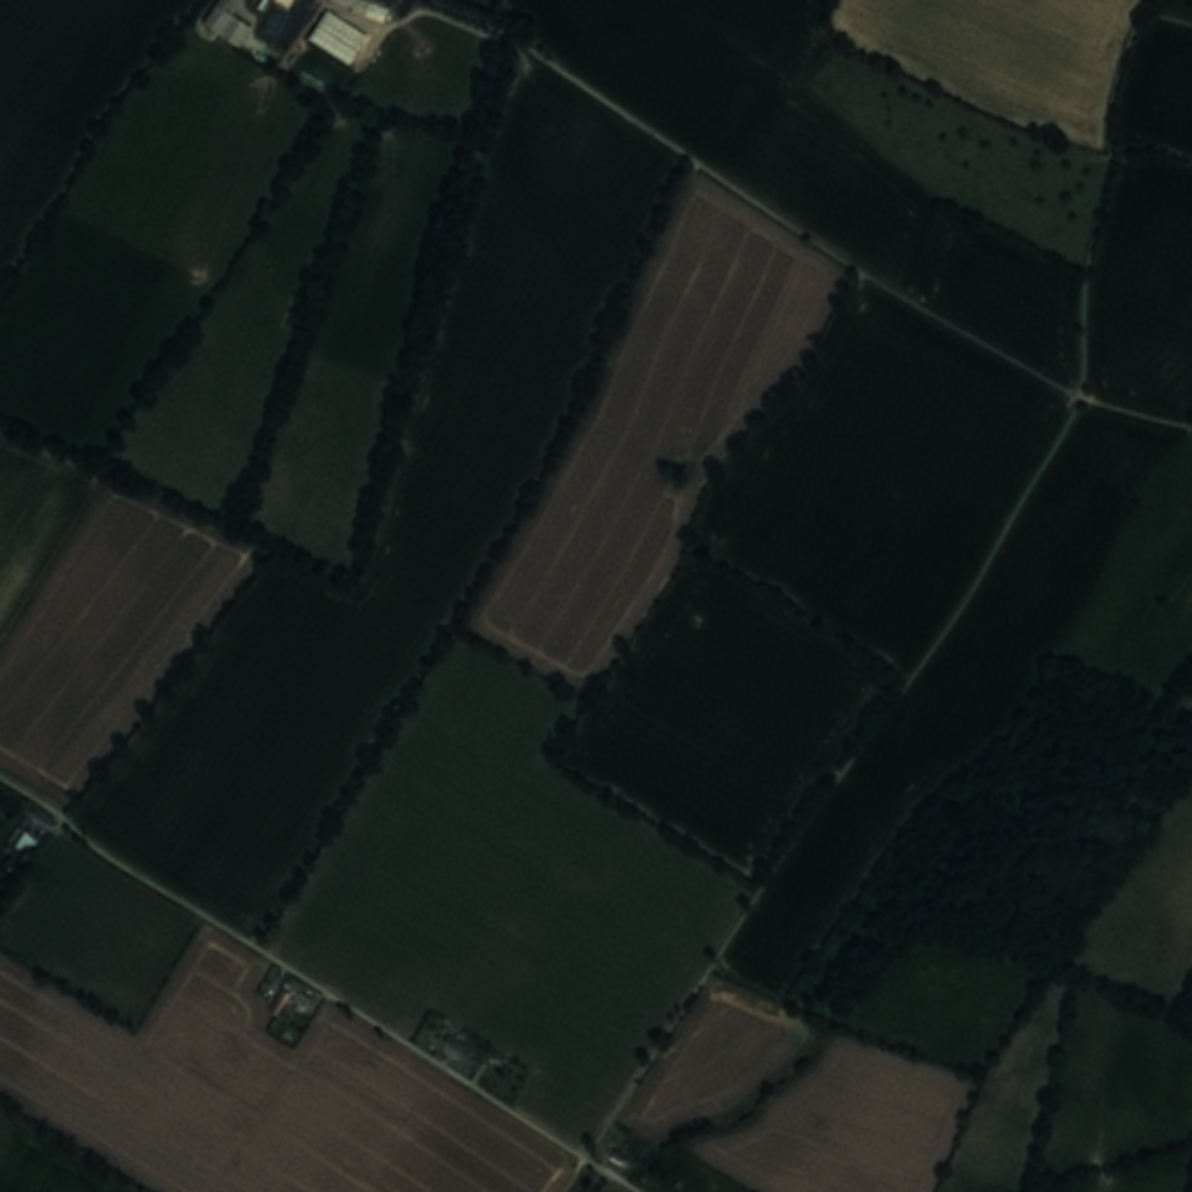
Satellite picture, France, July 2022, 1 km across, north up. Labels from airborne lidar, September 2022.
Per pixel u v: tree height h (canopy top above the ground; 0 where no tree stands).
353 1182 0
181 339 14
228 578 0
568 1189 0
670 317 0
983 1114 0
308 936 0
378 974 0
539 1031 0
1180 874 0
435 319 12
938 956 0
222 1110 0
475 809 0
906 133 0
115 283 0
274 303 0
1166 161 14
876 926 17
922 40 0
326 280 17
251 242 7
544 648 0
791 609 11
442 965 0
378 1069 0
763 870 15
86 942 0
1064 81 0
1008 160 0
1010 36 0
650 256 11
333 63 0
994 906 28
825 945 8
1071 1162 0
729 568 11
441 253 22
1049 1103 17
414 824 0
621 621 0
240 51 8
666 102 0
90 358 0
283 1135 0
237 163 0
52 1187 0
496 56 19
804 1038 0
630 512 0
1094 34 0
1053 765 24
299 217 0
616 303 15
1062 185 0
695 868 0
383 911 0
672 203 12
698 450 0
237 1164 0
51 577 0
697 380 0
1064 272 12
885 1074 0
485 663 0
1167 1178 0
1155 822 24
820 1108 0
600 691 17
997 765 16
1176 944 0
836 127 0
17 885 18
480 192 21
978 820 22
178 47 18
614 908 0
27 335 0
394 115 12
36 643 0
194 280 0
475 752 0
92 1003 13
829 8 16
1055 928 23
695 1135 16
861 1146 0
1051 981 11
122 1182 14
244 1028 0
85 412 0
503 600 0
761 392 0
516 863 0
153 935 0
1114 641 0
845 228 0
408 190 0
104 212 0
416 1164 0
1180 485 0
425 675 11
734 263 0
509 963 0
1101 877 26
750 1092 0
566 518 0
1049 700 18
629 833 0
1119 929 0
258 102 0
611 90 0
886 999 0
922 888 17
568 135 0
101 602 0
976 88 0
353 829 0
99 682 0
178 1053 0
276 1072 0
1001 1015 0
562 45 0
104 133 14
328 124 16
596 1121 0
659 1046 14
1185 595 0
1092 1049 0
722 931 0
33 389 0
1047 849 30
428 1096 0
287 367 15
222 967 0
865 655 13
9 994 0
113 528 0
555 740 16
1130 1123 0
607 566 0
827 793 15
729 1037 0
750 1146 0
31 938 0
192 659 15
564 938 0
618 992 0
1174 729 11
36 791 0
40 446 12
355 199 19
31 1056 0
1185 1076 0
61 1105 0
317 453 0
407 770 0
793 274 0
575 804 0
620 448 0
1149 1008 20
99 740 0
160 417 0
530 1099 0
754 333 0
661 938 0
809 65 0
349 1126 0
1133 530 0
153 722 18
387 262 0
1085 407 10
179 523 0
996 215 0
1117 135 10
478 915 0
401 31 0
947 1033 0
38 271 0
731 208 0
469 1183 0
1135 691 24
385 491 11
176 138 0
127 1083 0
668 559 0
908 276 0
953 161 0
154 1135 0
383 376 0
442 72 0
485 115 16
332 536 0
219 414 0
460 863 0
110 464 15
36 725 0
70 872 0
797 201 0
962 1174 0
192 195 0
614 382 0
